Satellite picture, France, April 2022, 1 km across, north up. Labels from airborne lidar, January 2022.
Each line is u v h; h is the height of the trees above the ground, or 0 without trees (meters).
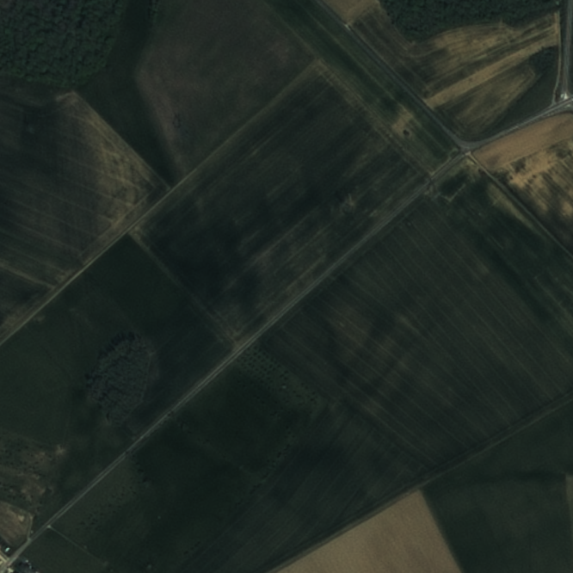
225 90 0
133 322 0
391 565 0
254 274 0
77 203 0
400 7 22
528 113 0
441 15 25
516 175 0
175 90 0
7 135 0
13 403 0
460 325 0
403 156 0
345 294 0
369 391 0
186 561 0
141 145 0
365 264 0
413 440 0
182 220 0
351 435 0
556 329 0
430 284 0
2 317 0
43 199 0
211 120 0
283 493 0
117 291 0
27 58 22
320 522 0
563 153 0
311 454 0
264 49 0
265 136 0
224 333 0
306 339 0
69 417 0
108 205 0
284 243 0
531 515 0
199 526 0
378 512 0
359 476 0
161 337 0
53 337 0
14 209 0
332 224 0
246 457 0
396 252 0
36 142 0
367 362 0
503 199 0
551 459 0
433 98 0
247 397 0
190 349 0
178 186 0
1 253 0
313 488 0
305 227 0
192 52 0
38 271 0
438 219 0
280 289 0
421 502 0
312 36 0
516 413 0
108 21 19
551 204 0
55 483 0
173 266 0
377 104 0
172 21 0
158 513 0
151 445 0
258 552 0
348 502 0
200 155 0
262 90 0
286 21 0
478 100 0
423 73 0
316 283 0
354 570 0
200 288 0
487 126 0
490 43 0
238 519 0
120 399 26
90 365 0
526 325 0
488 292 0
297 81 0
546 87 0
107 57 10
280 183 0
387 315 0
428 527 0
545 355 0
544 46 0
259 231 0
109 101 0
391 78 0
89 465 0
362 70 0
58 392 0
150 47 0
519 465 0
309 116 0
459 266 0
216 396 0
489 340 0
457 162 0
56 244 0
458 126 0
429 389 0
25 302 0
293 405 0
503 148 0
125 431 0
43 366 0
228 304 0
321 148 0
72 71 22
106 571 0
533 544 0
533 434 0
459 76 0
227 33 0
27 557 0
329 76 0
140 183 0
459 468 0
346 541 0
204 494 0
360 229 0
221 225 0
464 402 0
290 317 0
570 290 0
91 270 0
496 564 0
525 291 0
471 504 0
